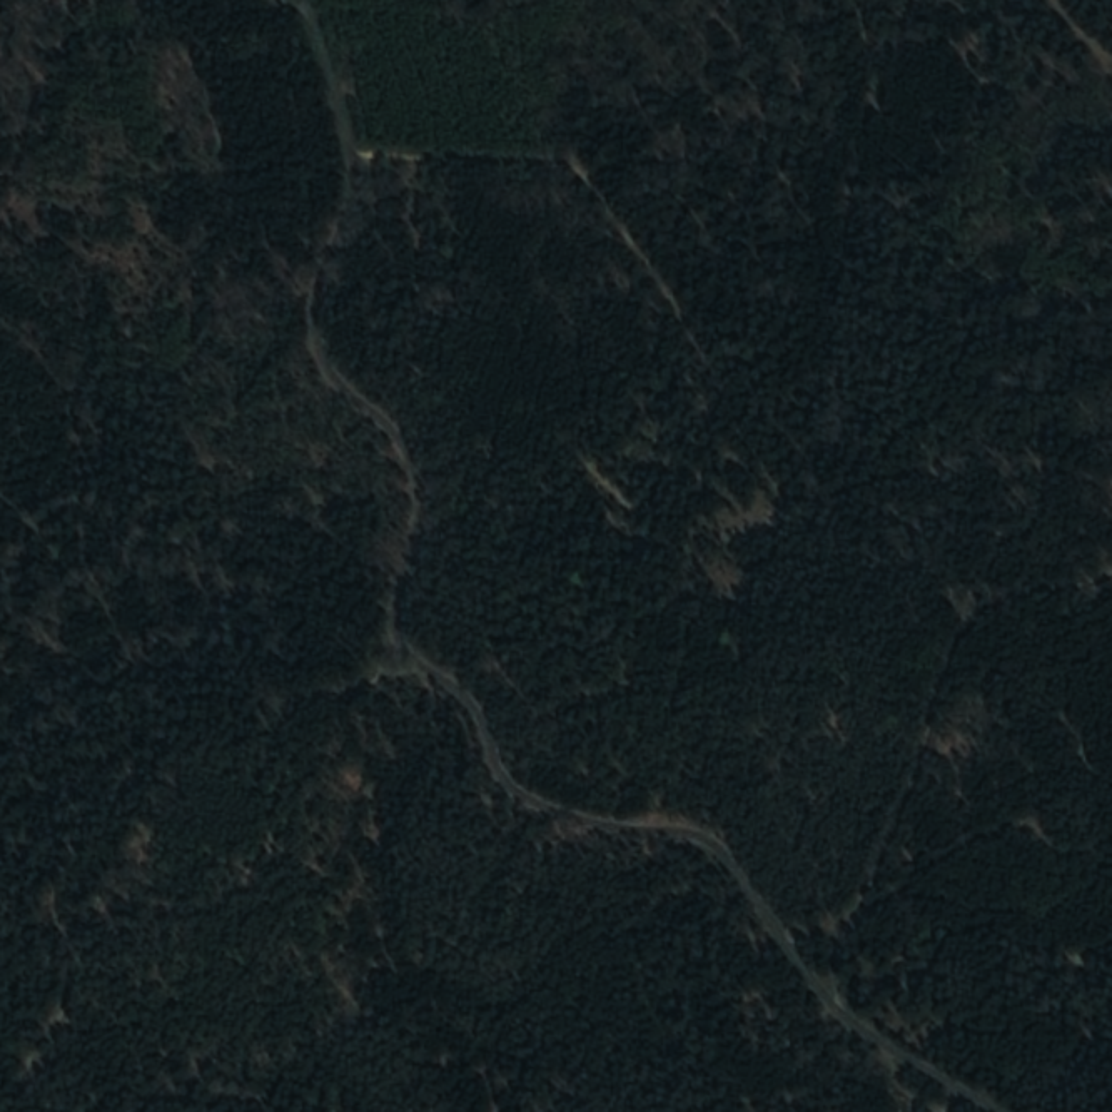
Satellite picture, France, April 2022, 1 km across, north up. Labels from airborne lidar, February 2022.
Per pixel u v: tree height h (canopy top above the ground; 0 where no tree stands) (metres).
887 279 27
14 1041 19
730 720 20
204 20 16
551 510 21
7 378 11
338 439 21
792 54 28
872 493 32
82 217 13
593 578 15
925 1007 27
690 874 24
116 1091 30
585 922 28
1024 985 31
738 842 28
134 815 25
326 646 22
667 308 24
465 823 22
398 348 27
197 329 11
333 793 17
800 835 20
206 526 27
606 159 25
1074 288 11
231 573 24
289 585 24
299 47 18
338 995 24
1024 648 28
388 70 18
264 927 29
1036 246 14
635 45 12
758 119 14
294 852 27
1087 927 21
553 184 24
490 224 20
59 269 12
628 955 25
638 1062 28
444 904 31
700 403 26
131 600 15
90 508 28
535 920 30
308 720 26
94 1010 16
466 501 6
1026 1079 22
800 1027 11
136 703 27
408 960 14
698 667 20
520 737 22
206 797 24
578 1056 32
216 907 23
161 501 28
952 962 31
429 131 19
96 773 8
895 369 29
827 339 29
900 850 25
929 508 26
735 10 13
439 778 35
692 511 20
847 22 27
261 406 20
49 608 27
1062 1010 42
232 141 11
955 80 23
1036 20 27
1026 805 25
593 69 14
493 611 20
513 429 24
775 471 27
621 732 24
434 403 22
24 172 19
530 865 30
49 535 26
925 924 32
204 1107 28
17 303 11
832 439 31
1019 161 15
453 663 18
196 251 10
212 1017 22
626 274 23
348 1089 29
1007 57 28
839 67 27
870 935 33
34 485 14
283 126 20
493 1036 25
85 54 10
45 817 11
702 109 22
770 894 24
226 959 25
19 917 22
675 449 21
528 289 23
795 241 12
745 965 25
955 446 23
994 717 24
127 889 20
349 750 17
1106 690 23
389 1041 34
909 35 20
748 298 21
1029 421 31
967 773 19
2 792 30
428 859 34
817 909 23
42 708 10
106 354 12
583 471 22
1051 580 19
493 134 14
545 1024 29
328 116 19
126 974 24
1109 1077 28
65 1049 22
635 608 17
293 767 27
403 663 22
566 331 22
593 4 15
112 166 16
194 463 29
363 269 15
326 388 8
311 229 14
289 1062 29
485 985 24
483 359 21
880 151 16
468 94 18
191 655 10
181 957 24
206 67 24
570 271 24
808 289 28
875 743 26
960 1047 25
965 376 33
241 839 25
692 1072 27
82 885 17
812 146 30
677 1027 27
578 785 24
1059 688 23
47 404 14
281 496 22
